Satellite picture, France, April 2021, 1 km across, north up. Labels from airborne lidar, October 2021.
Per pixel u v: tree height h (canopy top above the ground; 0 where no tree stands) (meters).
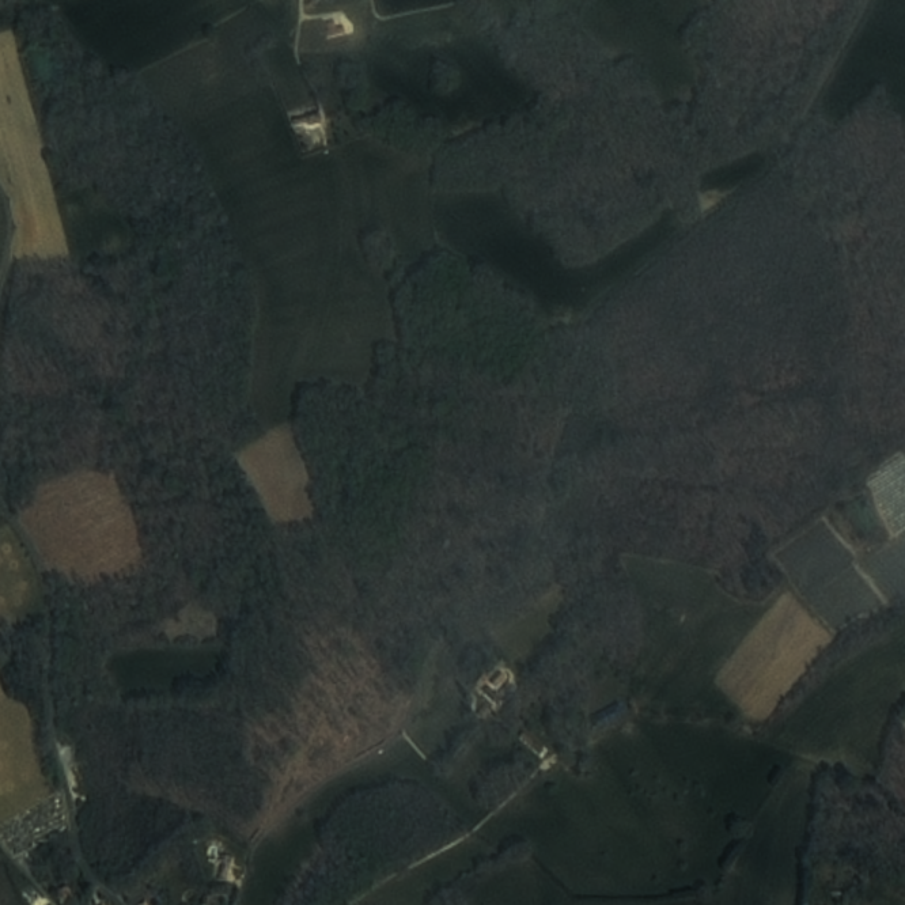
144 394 6
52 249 0
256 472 0
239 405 25
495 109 0
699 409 7
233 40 0
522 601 23
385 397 15
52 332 16
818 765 0
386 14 0
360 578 25
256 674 21
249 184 0
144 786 15
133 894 16
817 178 18
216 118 0
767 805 0
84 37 0
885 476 0
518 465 16
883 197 16
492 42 13
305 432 21
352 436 17
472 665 28
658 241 0
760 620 0
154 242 15
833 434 9
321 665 24
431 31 0
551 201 21
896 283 19
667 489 8
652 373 7
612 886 0
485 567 21
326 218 0
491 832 0
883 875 23
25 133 0
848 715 0
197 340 21
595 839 0
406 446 17
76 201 0
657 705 0
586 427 10
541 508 19
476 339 18
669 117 21
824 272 8
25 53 9
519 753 7
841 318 8
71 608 25
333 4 0
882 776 21
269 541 25
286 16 0
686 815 0
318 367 0
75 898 13
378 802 18
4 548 0
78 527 0
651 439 15
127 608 22
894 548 0
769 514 15
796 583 0
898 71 0
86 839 10
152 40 0
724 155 26
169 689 0
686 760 0
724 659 0
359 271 0
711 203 0
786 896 0
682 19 0
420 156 15
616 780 0
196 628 0
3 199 0
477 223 0
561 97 21
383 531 24
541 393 12
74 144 18
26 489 16
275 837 0
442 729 0
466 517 21
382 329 0
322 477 23
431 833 14
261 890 0
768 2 16
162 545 26
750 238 11
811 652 0
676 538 7
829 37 10
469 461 16
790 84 17
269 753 23
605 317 8
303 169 0
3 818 0
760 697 0
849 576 0
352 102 22
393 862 17
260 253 0
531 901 0
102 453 9
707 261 7
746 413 15
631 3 0
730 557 16
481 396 13
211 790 16
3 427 13
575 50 14
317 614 22
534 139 16
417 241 0
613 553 10
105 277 22
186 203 22
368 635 20
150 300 26
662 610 0
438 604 27
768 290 6
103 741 14
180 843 19
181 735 15
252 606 21
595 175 21
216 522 16
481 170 21
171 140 14
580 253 26
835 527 15
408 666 26
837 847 16
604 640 17
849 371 8
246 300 26
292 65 0
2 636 25
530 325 23
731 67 15
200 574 21
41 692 25
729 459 6
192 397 19
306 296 0
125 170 16
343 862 24
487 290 28
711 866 0
